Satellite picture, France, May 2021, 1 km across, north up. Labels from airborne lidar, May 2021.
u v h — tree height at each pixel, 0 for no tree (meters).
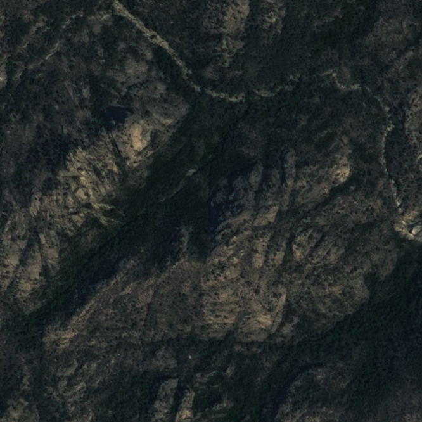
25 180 12
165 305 22
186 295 16
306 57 22
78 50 14
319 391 11
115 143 17
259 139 10
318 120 12
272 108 27
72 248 10
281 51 24
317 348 11
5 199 12
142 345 24
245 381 16
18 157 8
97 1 10
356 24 13
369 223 9
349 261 10
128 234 14
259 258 0
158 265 9
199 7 17
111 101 10
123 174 8
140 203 16
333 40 12
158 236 11
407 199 13
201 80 16
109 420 17
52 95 13
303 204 6
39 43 14
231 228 11
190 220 9
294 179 13
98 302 18
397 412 15
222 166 13
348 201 11
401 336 8
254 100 8
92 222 6
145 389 18
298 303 9
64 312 10
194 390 9
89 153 14
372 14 7
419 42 17
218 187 7
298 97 24
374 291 13
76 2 17
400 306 15
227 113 12
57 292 14
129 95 13
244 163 12
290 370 7
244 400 7
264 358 23
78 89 11
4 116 14
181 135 9
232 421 14
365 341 15
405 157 17
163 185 20
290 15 19
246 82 19
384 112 11
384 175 13
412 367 19
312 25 16
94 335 12
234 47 9
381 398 21
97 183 9
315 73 10
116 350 7
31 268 0
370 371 18
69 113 19
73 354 21
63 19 17
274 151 6
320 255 9
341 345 17
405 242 6
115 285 16
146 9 22
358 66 7
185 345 16
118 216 8
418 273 12
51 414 17
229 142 23
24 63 7
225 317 9
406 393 19
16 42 17
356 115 19
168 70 27
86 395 17
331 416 22
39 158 12
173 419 8
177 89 11
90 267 13
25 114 13
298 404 15
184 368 12
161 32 16
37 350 12
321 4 23
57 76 14
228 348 26
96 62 13
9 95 20
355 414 23
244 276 13
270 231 13
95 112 9
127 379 8
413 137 8
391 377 17
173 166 16
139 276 13
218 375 12
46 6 21
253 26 25
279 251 8
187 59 8
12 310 15
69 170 11
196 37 15
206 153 8
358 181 7
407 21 0
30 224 11
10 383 15
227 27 11
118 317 30
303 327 10
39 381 14
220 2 10
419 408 15
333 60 19
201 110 11
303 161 7
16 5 14
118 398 12
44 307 15
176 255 9
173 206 12
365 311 32
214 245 13
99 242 6
